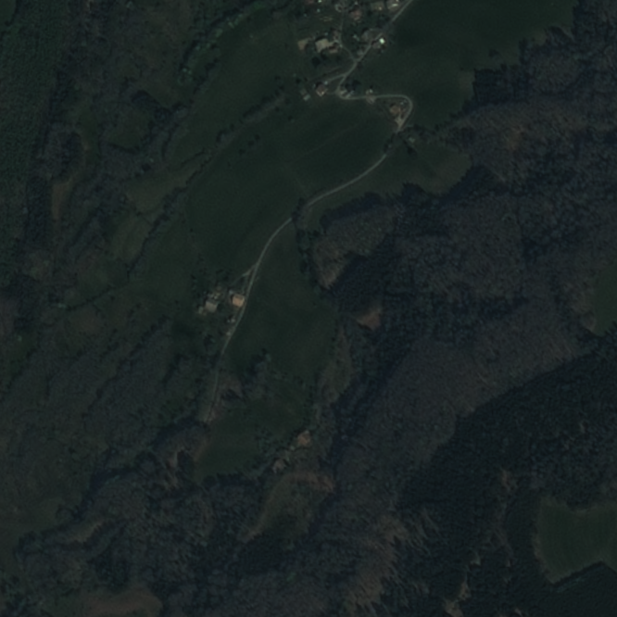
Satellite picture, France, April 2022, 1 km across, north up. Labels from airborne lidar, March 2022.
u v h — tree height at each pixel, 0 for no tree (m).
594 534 0
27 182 24
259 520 21
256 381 24
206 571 11
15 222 23
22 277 20
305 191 0
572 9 0
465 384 29
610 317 0
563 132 31
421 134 15
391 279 29
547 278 29
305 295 0
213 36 16
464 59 0
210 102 0
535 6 0
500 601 16
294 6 9
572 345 27
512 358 29
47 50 25
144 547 30
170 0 0
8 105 24
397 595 28
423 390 33
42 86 22
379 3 0
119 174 22
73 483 0
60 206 0
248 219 0
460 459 21
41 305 23
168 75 0
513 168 28
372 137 0
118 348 11
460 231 30
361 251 26
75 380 15
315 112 0
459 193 0
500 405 17
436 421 27
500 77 12
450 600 17
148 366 22
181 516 33
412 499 19
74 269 19
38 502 0
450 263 30
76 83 33
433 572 25
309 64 0
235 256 0
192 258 0
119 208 20
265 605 32
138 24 16
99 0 27
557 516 0
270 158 0
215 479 0
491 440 18
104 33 32
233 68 0
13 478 0
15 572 0
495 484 16
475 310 22
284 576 31
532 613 11
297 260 0
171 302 0
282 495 0
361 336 20
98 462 12
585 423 23
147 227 0
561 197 33
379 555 22
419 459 24
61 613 0
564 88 31
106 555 11
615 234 28
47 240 34
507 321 25
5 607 0
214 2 10
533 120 34
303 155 0
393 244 26
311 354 0
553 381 18
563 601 14
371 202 0
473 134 8
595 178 35
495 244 38
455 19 0
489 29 0
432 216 29
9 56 20
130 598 0
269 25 0
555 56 26
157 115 17
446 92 0
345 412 22
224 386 0
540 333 32
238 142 0
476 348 27
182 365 20
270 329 0
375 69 0
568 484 26
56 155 32
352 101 0
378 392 24
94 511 27
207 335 0
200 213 0
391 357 24
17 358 0
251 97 0
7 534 0
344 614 29
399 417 35
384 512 23
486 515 12
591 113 35
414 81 0
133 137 0
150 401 22
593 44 28
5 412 13
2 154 22
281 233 0
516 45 0
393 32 13
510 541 11
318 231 0
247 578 26
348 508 30
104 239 6
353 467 35
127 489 43
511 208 31
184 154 0
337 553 28
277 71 0
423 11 0
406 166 0
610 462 24
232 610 35
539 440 15
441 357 31
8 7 0
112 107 7
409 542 0
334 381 0
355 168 0
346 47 0
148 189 0
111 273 0
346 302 23
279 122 0
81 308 6
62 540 21
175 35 0
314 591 31
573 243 23
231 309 0
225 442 0
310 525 0
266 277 0
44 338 16
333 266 15
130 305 0
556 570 0
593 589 15
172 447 30
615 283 0
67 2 22
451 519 22
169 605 23
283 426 0
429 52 0
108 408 16
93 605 0
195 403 8
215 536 9
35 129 21
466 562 17
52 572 29
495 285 35
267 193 0
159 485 31
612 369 15
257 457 0
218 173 0
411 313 21
